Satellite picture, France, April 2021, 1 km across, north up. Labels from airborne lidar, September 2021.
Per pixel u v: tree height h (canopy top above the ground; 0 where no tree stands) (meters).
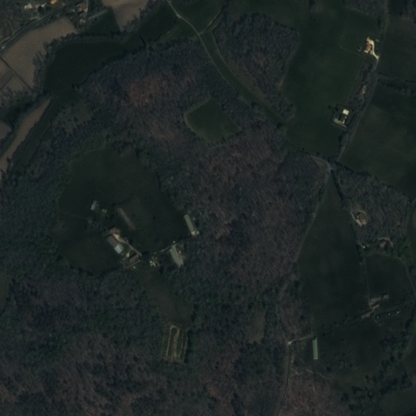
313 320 0
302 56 0
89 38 19
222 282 25
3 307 0
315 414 11
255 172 13
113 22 0
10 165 17
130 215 0
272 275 11
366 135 0
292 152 20
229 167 11
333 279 0
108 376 20
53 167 12
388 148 0
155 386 13
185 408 18
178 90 19
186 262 6
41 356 26
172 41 0
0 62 0
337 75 0
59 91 0
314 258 0
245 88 0
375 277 0
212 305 14
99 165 0
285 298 0
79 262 0
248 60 20
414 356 0
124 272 12
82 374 26
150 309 20
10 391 24
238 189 19
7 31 12
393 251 15
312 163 17
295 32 16
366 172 0
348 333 0
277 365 21
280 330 19
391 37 0
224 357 18
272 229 17
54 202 14
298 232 12
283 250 18
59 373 15
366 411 18
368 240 17
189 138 13
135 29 20
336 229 0
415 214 0
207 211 15
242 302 21
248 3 0
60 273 15
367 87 10
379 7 20
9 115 0
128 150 19
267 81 13
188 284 21
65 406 19
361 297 0
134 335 20
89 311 18
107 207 0
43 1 13
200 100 19
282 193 16
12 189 25
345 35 0
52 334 20
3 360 21
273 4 0
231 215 19
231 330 22
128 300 16
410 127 0
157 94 8
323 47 0
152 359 20
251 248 23
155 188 0
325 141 0
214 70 11
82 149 16
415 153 0
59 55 0
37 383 14
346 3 21
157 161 15
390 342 0
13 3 18
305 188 19
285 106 14
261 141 16
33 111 15
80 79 0
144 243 0
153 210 0
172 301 0
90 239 0
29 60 0
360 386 0
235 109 11
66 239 0
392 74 0
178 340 0
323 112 0
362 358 0
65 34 0
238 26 15
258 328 0
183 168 20
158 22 0
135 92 10
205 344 17
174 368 13
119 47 0
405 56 0
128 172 0
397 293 0
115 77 15
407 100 0
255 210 19
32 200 21
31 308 26
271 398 11
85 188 0
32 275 16
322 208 0
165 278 17
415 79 0
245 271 17
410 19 14
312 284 0
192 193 19
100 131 17
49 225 17
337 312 0
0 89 0
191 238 9
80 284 17
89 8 0
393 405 0
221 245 15
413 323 13
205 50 14
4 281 0
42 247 21
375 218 22
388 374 20
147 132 21
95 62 0
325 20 0
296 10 0
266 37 14
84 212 0
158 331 17
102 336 9
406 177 0
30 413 23
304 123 0
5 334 20
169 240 0
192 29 0
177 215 0
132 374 20
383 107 0
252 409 8
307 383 7
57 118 11
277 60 22
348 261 0
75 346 20
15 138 8
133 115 15
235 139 14
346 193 20
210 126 0
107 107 10
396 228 18
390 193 21
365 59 0
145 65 15
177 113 16
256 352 18
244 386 24
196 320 18
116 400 23
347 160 0
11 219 21
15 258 17
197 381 19
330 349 0
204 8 0
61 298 17
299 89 0
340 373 6
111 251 0
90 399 22
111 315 23
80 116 0
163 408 22
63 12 8
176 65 17
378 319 7
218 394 6
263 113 15
